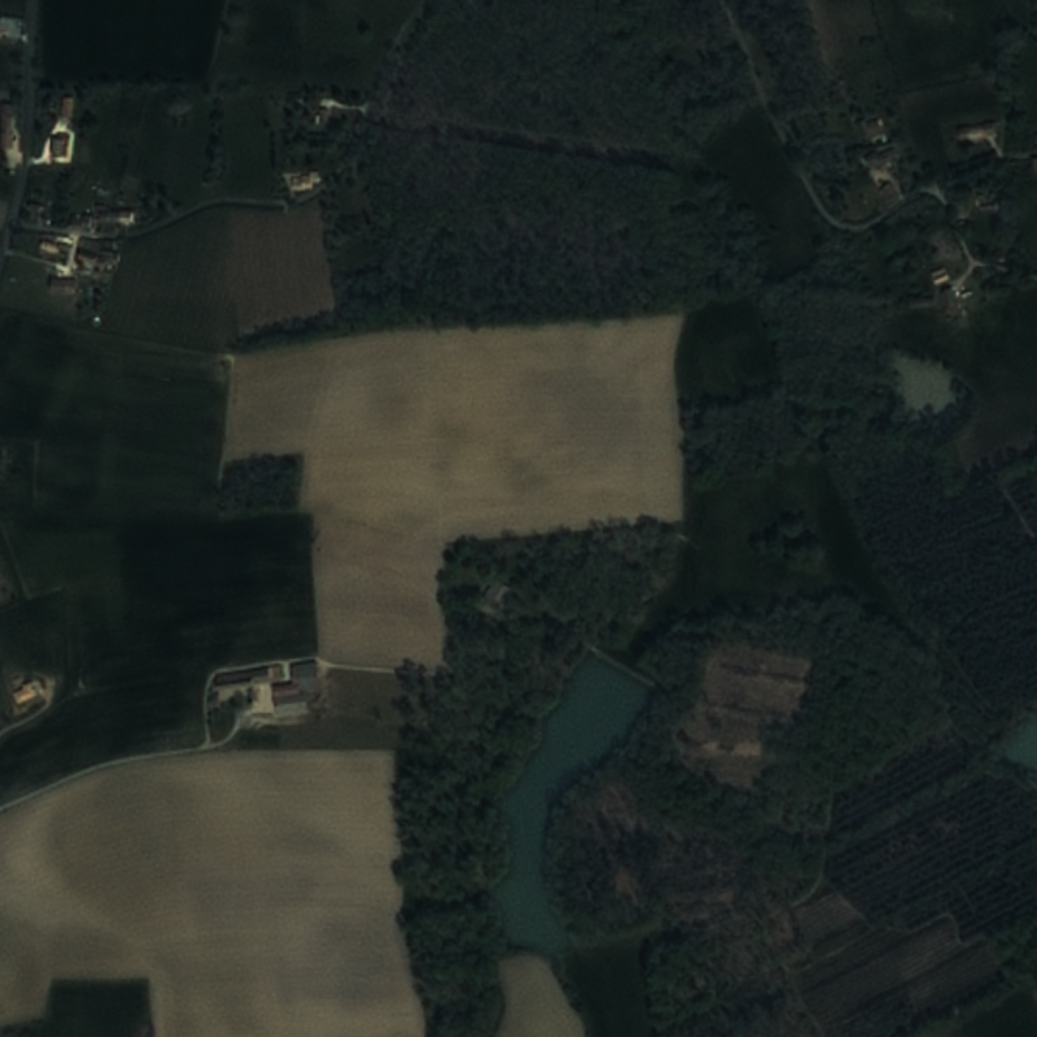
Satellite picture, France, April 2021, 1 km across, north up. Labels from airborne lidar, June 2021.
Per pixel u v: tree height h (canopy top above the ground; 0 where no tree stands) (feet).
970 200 56
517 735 68
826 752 73
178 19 0
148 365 0
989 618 60
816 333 52
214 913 0
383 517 0
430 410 0
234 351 32
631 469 0
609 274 61
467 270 65
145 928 0
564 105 67
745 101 51
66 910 0
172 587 0
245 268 0
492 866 54
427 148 49
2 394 0
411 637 0
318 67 0
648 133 72
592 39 76
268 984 0
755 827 53
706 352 0
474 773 69
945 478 46
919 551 60
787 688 0
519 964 0
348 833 0
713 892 29
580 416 0
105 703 0
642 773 53
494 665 74
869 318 22
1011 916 40
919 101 0
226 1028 0
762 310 30
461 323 60
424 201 51
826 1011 0
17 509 0
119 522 0
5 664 0
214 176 24
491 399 0
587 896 49
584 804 61
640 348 0
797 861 59
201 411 0
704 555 0
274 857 0
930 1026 55
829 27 0
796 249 0
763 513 0
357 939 0
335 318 35
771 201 0
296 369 0
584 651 52
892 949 0
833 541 0
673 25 62
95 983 0
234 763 0
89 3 0
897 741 63
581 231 47
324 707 0
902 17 0
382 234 30
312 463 0
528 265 71
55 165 32
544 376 0
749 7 79
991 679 67
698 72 47
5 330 0
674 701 64
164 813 0
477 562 41
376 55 0
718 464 64
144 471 0
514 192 59
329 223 43
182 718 0
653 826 45
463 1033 58
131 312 0
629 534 55
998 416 0
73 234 0
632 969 0
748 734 0
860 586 0
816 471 0
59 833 0
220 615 0
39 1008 0
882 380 65
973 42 0
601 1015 0
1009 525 63
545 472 0
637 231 74
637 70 72
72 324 0
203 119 0
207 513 0
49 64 0
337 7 0
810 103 63
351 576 0
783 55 75
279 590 0
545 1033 0
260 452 0
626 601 60
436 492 0
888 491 57
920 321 0
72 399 0
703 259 50
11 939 0
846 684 65
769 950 47
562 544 60
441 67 48
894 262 21
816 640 53
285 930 0
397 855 0
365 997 0
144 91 20
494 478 0
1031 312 0
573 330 0
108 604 0
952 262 0
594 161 63
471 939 54
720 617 56
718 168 0
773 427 52
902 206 25
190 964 0
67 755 0
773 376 0
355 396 0
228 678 0
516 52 55
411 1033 0
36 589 0
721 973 54
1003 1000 60
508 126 52
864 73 0
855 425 67
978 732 38
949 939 0
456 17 49
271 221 0
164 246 0
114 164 0
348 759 0
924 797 36
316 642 0
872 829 47
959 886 25
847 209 37
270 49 0
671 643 80
